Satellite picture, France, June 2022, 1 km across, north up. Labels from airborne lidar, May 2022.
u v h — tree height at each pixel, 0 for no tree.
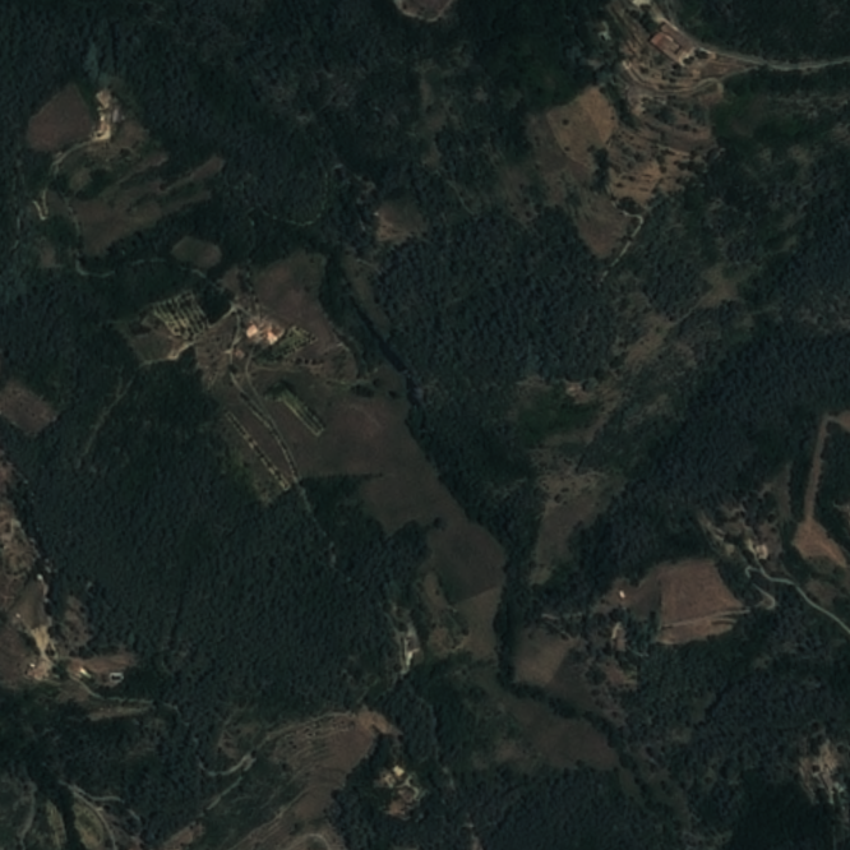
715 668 16
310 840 0
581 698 0
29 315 18
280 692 20
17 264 14
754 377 18
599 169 6
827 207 19
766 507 14
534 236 5
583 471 12
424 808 16
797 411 11
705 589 0
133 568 19
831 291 9
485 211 6
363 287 0
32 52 9
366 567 22
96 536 18
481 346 7
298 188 16
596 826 14
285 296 0
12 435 21
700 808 12
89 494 19
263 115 15
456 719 19
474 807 14
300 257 0
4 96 15
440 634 0
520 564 15
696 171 9
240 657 19
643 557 16
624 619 11
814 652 15
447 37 11
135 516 21
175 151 10
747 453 18
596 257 9
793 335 9
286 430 0
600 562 13
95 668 0
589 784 17
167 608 16
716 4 17
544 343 20
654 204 12
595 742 0
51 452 10
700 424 19
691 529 8
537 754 0
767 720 20
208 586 13
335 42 9
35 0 18
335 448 0
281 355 8
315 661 21
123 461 15
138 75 10
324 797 0
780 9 9
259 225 15
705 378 17
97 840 0
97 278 9
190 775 21
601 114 0
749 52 7
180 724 10
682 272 18
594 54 14
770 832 9
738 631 6
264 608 22
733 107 0
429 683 13
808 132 9
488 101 11
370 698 11
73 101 0
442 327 22
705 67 0
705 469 20
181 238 7
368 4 15
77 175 0
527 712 0
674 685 20
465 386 7
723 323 17
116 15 14
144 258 7
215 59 8
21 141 15
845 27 12
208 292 12
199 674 14
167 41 19
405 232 0
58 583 16
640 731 14
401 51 7
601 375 17
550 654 0
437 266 22
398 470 0
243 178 15
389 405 0
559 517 0
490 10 18
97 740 12
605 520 17
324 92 8
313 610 13
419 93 10
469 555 0
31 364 8
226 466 7
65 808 13
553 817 16
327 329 0
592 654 13
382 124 14
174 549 14
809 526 0
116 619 19
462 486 13
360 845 23
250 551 23
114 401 9
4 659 0
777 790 7
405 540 12
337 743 0
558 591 11
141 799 20
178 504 16
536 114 0
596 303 20
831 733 7
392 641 8
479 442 13
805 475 7
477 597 0
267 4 8
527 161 0
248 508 12
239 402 0
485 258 18
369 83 8
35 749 9
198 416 8
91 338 6
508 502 15
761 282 18
